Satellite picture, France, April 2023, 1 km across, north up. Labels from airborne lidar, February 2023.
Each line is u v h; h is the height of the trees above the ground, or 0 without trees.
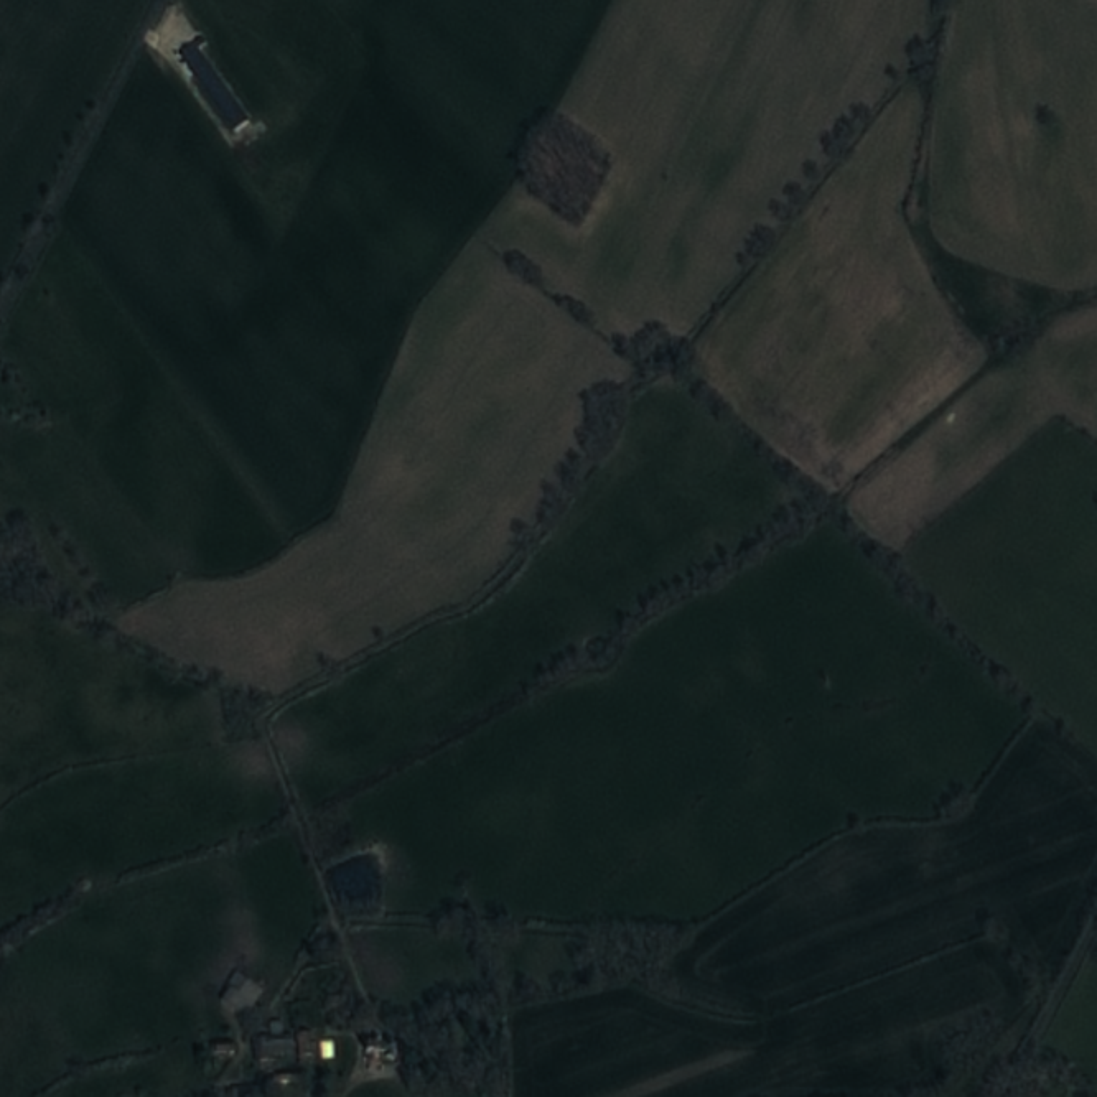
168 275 0
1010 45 0
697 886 0
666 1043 0
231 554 0
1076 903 0
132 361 0
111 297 0
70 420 0
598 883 0
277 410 0
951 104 0
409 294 0
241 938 0
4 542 21
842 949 0
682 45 0
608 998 0
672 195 0
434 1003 13
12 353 0
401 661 0
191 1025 0
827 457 0
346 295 0
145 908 0
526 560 21
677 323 0
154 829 0
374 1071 0
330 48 0
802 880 0
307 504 0
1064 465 0
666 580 0
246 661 0
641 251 0
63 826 0
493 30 0
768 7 0
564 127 22
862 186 0
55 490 0
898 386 0
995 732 0
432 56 0
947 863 0
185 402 0
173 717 0
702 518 0
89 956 0
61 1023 0
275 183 0
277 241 0
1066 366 0
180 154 0
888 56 0
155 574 0
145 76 0
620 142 0
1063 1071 20
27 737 0
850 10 0
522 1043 0
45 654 0
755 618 0
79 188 0
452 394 0
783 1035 0
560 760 0
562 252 0
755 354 0
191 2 0
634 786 0
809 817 0
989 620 0
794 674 0
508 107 0
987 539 0
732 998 0
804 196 16
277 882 0
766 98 0
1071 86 0
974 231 0
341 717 0
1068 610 0
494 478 0
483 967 18
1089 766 0
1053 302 0
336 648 0
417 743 0
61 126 0
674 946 18
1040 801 0
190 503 0
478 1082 26
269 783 0
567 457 0
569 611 0
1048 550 0
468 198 0
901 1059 0
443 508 0
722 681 0
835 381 0
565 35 0
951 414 0
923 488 0
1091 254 0
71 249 0
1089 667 0
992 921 17
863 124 16
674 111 0
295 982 7
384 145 0
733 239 0
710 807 0
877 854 0
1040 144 0
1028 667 0
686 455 0
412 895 0
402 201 0
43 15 0
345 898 14
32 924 12
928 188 0
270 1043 0
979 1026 14
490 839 0
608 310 0
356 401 0
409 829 0
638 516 0
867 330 0
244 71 0
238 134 0
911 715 0
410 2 0
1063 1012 0
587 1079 0
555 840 0
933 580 0
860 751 0
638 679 0
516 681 0
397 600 0
